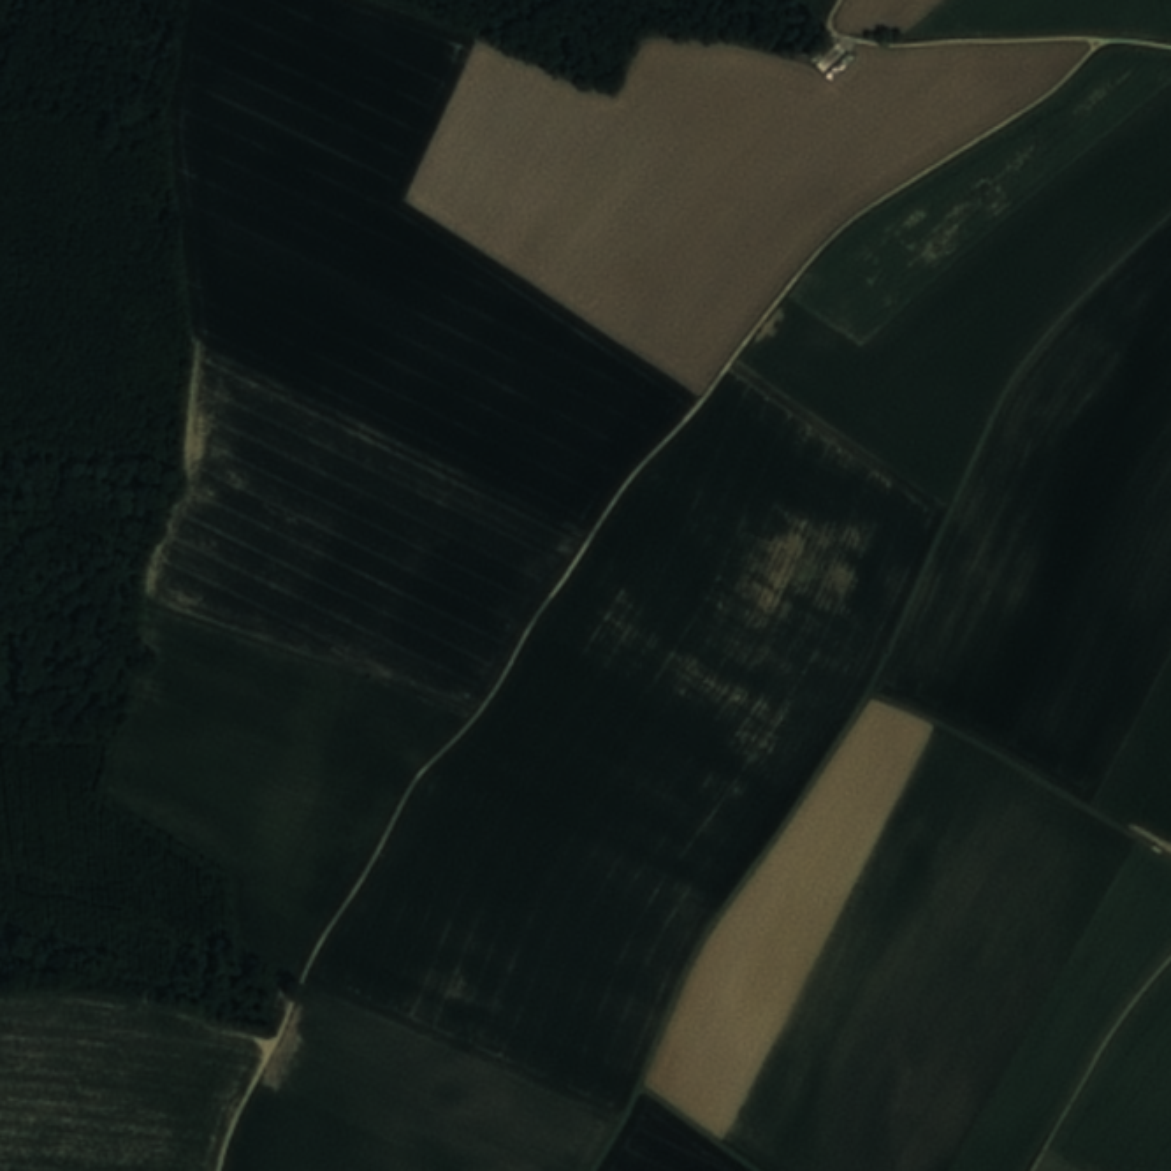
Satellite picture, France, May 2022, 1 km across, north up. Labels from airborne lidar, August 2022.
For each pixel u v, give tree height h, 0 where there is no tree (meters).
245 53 0
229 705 0
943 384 0
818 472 0
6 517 27
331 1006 0
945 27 0
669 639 0
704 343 0
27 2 20
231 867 0
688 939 0
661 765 0
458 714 0
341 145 0
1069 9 0
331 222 0
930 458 0
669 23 25
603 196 0
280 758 0
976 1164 0
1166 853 0
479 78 0
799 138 0
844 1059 0
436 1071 0
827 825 0
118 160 15
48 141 14
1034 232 0
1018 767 0
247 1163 0
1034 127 0
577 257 0
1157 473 0
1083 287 0
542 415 0
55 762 8
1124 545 0
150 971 6
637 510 0
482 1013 0
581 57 25
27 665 29
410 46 0
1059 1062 0
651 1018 0
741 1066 0
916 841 0
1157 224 0
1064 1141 0
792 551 0
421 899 0
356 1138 0
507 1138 0
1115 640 0
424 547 0
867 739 0
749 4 22
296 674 0
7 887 7
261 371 0
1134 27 0
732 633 0
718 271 0
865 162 0
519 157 0
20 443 13
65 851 7
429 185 0
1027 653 0
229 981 6
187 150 0
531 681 0
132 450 16
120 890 6
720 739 0
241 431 0
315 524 0
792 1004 0
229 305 0
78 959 21
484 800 0
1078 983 0
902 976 0
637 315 0
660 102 0
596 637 0
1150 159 0
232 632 0
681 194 0
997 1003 0
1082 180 0
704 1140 0
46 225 16
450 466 0
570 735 0
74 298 13
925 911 0
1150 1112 0
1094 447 0
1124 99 0
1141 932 0
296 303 0
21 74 21
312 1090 0
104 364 16
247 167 0
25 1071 0
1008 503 0
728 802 0
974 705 0
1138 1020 0
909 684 0
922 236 0
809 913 0
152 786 0
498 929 0
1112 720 0
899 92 0
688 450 0
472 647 0
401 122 0
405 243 0
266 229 0
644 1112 0
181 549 0
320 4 0
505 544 0
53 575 26
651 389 0
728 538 0
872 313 0
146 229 16
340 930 0
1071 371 0
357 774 0
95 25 23
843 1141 0
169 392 13
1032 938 0
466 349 0
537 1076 0
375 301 0
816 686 0
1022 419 0
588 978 0
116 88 20
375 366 0
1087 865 0
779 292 0
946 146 0
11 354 14
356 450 0
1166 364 0
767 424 0
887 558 0
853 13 0
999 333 0
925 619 0
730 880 0
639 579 0
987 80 0
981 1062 0
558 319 0
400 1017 0
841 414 0
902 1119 0
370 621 0
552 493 0
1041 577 0
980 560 0
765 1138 0
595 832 0
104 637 20
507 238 0
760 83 0
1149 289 0
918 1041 0
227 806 0
